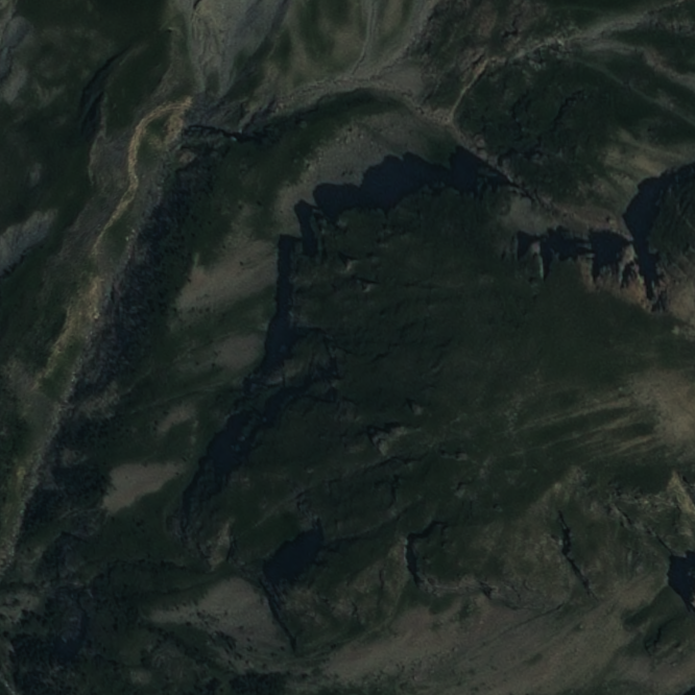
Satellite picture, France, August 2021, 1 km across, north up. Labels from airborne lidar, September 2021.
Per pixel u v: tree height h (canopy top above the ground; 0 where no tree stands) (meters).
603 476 0
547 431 0
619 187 0
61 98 0
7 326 0
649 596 0
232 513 0
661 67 0
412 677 0
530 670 0
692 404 0
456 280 0
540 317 0
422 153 0
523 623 0
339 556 0
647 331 0
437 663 0
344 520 0
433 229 0
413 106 0
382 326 0
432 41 0
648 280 0
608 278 0
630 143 0
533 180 0
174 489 0
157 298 0
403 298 0
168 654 0
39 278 0
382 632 0
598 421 0
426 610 0
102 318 0
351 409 0
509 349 0
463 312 0
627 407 0
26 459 0
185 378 0
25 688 6
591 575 0
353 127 0
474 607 0
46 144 0
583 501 0
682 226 0
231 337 0
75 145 0
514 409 0
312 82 0
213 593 0
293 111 0
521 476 0
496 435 0
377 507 0
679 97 0
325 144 0
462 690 0
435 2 0
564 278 0
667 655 0
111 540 0
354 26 0
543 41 0
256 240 0
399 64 0
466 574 0
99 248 0
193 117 0
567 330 0
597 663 0
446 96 0
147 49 0
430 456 0
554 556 0
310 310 0
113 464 0
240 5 0
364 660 0
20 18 0
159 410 0
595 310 0
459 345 0
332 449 0
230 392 0
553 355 0
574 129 0
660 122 0
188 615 0
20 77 0
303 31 0
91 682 0
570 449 0
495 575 0
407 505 0
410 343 0
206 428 0
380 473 0
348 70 0
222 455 0
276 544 0
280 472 0
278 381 0
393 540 0
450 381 0
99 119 0
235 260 0
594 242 0
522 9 0
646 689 0
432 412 0
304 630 0
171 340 0
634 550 0
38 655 11
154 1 0
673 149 0
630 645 0
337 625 0
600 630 0
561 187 0
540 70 0
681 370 0
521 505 0
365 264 0
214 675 0
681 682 0
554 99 0
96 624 0
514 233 0
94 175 0
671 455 0
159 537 0
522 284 0
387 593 0
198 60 0
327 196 0
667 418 0
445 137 0
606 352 0
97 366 0
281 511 0
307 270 0
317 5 0
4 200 0
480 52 0
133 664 0
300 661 0
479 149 0
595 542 0
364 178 0
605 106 0
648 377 0
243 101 0
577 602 0
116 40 0
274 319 0
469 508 0
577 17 0
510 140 0
